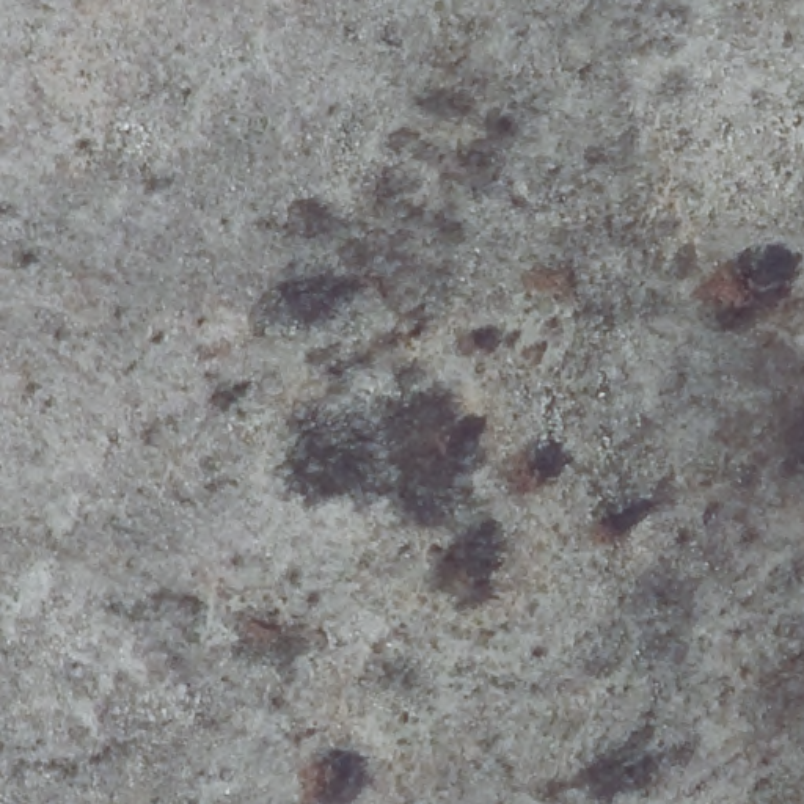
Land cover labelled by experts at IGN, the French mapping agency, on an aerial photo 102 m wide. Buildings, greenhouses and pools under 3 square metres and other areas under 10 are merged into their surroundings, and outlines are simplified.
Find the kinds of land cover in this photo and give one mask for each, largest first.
<instances>
[{"label":"bare soil","instance_id":"1","mask_svg":"<svg viewBox=\"0 0 804 804\"><path fill-rule=\"evenodd\" d=\"M776 455L782 459V474L788 477H795L804 465V0H0V804H804V713L798 725L779 732L773 722H766V704L757 694V682L760 672H773L779 666V660L791 656L795 650H804V503L788 506L782 512L751 506V521L760 531L754 546L741 543V528L735 521L725 524V550L732 553L735 568L754 565L757 572L747 581L729 587L716 581L704 584L694 594V625L691 634H685V663H672L644 647L641 628L647 619L660 616V606L628 612L619 609L616 597L634 594L641 572H647L660 556H675L678 531H691L707 540L704 509L719 493H725L729 487H757L760 471Z\"/></svg>","mask_w":804,"mask_h":804},{"label":"coniferous trees","instance_id":"2","mask_svg":"<svg viewBox=\"0 0 804 804\"><path fill-rule=\"evenodd\" d=\"M804 503V465L795 477H788L782 474V459L776 455L760 471L757 487H729L725 493H719L704 509L707 540L691 531H678L675 556H660L647 572H641L634 594L616 597L619 609L628 612L660 606V616L647 619L641 628L644 647L672 663H685V634H691L694 625V594L704 584L716 581L729 587L747 581L757 572L754 565L735 568L732 553L725 550V524L735 521L741 528V543L754 546L760 531L751 521V506L782 512L788 506ZM757 694L766 704V722H773L779 732L798 725L804 713V650H795L791 656L779 660V666L773 672H760L757 682Z\"/></svg>","mask_w":804,"mask_h":804}]
</instances>
